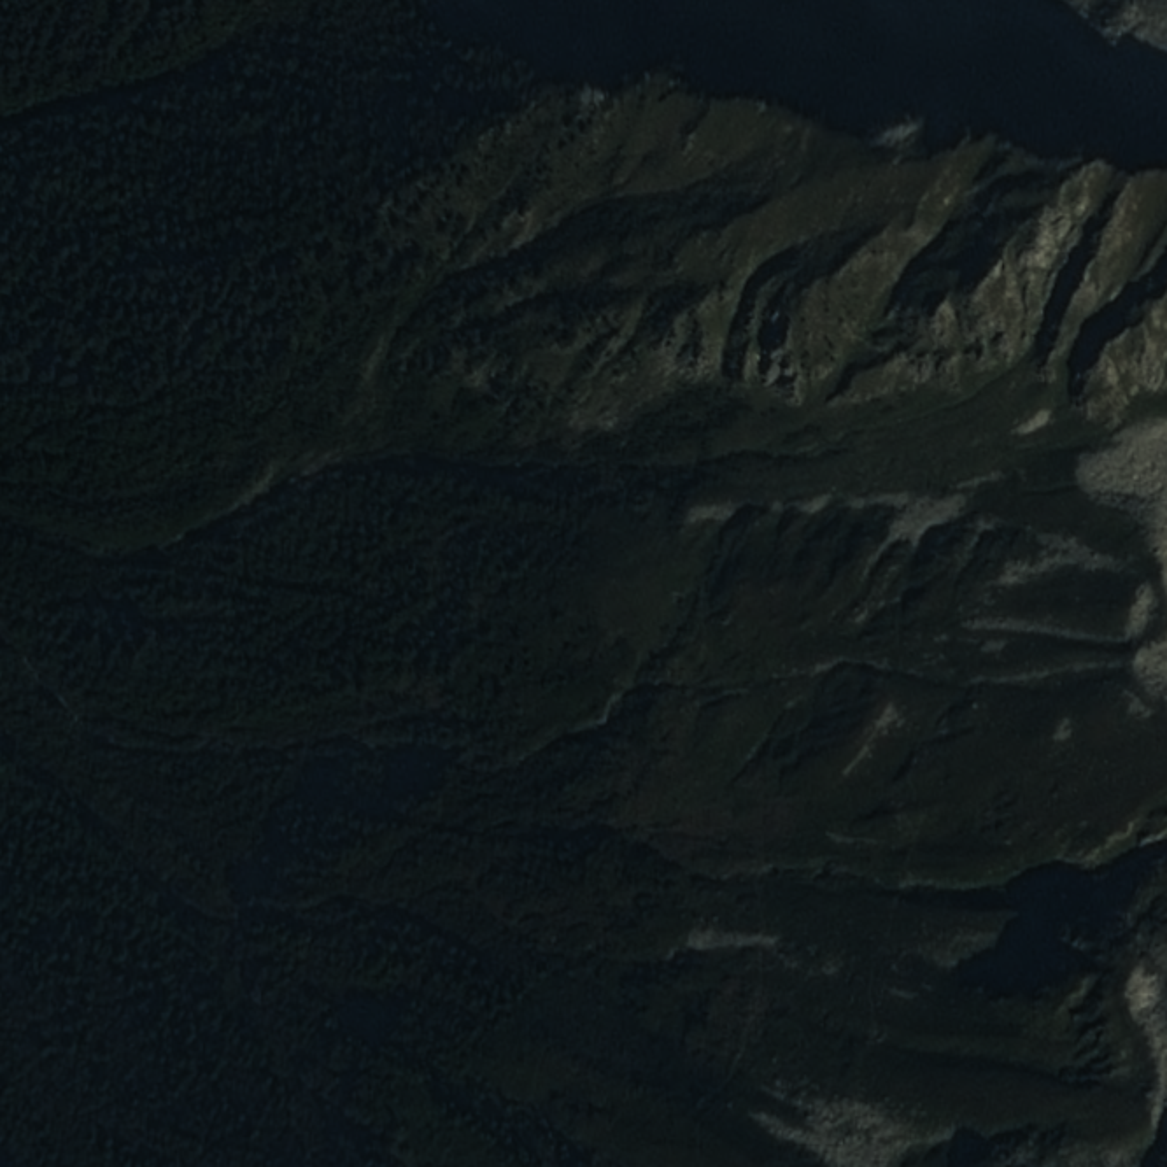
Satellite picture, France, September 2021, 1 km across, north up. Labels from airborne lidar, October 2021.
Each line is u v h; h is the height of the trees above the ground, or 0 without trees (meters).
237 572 10
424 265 16
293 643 9
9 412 17
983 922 0
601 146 0
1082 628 0
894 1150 0
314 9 7
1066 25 0
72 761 6
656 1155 0
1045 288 0
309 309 12
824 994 0
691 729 0
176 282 27
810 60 0
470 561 7
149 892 8
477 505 8
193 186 8
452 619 6
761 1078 0
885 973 0
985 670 0
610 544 0
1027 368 0
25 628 10
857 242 0
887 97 0
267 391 10
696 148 0
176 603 9
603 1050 0
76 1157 6
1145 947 0
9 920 11
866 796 0
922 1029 0
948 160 0
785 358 7
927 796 0
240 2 6
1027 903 0
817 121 0
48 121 9
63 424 15
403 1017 8
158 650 9
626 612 0
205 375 23
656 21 6
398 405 6
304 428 7
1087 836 0
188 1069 10
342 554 14
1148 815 0
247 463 7
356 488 9
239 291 18
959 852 0
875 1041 0
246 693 7
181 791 8
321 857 8
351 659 10
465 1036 6
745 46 6
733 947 0
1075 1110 0
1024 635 0
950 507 0
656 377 0
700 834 0
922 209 0
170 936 8
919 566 0
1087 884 0
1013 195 0
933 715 0
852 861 0
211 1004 9
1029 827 0
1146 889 0
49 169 7
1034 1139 0
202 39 9
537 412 6
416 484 9
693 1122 0
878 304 0
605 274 5
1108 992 0
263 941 6
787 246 0
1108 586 0
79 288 12
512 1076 0
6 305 8
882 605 0
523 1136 0
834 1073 0
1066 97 0
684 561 0
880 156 0
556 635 0
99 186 9
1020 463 0
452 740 0
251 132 9
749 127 0
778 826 0
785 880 0
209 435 10
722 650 0
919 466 0
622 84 6
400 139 7
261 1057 7
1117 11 0
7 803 8
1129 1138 0
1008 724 0
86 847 9
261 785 8
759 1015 0
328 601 6
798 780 0
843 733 0
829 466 0
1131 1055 0
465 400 6
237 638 9
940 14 0
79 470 10
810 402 0
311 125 10
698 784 0
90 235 15
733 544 0
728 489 0
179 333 27
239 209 6
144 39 11
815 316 0
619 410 0
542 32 6
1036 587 0
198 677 10
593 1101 0
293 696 11
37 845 8
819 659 0
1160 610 0
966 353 8
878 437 0
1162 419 0
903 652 0
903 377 0
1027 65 0
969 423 0
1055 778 0
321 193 7
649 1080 0
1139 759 0
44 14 12
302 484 6
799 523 0
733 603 0
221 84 11
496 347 6
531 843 6
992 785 0
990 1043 0
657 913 0
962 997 0
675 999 0
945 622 0
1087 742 0
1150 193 0
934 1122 0
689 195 0
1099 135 0
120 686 8
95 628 9
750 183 0
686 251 0
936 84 0
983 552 0
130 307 23
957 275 0
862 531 0
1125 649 0
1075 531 0
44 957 10
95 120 8
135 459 9
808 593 0
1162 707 0
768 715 0
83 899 12
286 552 8
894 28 0
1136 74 0
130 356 15
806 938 0
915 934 0
